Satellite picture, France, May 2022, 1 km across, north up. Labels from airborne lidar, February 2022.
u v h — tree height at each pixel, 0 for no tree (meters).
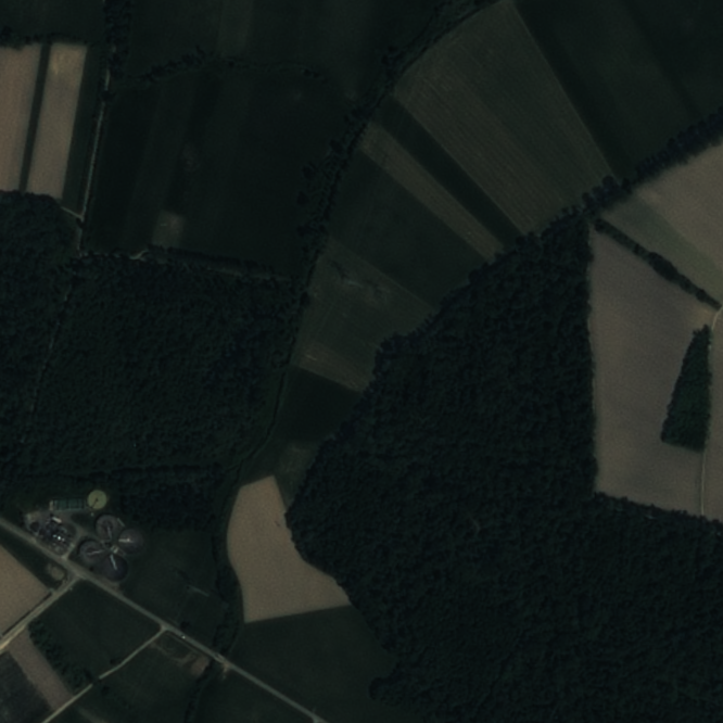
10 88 0
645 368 0
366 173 0
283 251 0
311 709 0
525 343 12
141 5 0
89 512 0
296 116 0
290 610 0
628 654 19
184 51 0
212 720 0
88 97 0
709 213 0
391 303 0
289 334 7
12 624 0
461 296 19
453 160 0
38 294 21
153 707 0
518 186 0
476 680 23
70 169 0
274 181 0
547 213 0
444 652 21
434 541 26
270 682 0
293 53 0
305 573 0
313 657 0
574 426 18
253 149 0
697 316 0
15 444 13
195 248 0
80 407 14
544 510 29
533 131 0
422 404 16
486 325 19
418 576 27
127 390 14
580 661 9
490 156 0
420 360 28
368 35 0
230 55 0
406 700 19
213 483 10
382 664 0
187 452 17
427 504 21
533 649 27
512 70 0
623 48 0
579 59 0
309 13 0
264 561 0
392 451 26
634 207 0
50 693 0
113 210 0
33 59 0
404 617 29
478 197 0
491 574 26
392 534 6
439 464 24
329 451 18
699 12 0
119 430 11
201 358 11
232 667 0
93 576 0
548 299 30
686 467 0
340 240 0
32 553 0
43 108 0
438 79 0
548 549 25
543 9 0
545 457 21
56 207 24
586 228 7
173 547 0
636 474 0
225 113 0
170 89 0
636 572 14
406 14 0
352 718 0
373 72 0
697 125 0
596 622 27
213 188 0
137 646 0
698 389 18
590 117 0
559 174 0
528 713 19
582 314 24
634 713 8
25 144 0
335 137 0
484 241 0
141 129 0
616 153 0
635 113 0
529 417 23
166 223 0
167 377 10
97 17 0
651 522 15
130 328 16
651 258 10
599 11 0
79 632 0
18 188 0
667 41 0
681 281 9
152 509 27
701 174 0
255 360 31
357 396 0
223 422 15
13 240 17
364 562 22
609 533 16
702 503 0
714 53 0
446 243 0
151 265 7
